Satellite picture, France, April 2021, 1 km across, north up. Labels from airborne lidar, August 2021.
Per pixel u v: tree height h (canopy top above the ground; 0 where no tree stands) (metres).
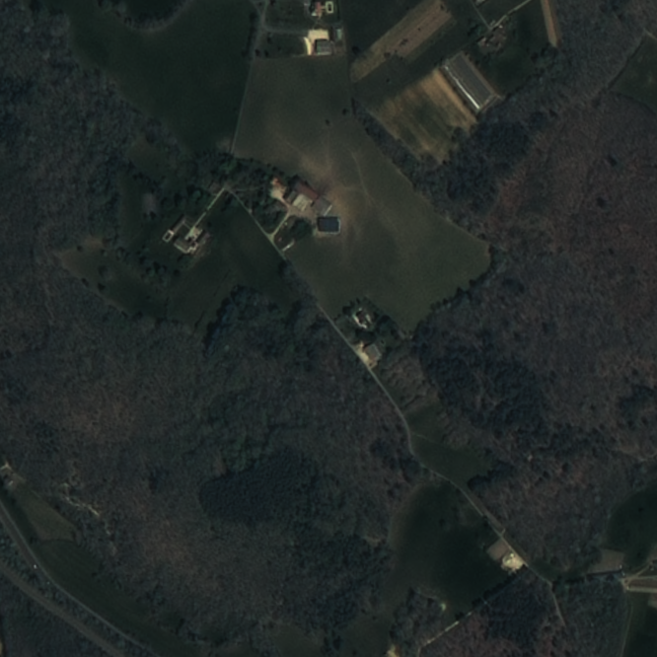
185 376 22
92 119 20
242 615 14
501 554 0
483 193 28
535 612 14
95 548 9
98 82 18
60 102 16
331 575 19
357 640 0
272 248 0
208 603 10
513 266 18
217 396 17
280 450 20
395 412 9
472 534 0
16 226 8
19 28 23
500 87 0
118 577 7
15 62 24
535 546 18
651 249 15
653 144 6
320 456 20
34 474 19
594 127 8
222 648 12
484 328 10
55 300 13
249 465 10
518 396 16
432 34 0
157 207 0
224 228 0
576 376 16
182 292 0
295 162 0
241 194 6
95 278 0
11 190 12
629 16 15
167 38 0
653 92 0
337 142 0
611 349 18
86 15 0
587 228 7
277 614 17
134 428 14
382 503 13
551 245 17
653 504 0
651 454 15
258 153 0
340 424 10
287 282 19
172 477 17
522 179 7
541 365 10
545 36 0
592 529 14
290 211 0
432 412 0
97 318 23
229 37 0
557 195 8
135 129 21
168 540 15
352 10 0
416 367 10
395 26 0
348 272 0
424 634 19
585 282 21
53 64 16
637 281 6
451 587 0
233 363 17
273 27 0
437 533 0
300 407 19
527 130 19
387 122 0
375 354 0
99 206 26
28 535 0
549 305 10
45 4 0
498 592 13
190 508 21
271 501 18
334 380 13
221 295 0
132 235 0
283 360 23
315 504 14
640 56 0
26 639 12
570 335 15
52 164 21
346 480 19
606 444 15
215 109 0
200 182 24
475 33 7
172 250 0
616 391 11
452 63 0
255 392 14
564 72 18
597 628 15
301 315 25
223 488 21
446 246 0
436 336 7
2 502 0
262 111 0
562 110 8
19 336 6
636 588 0
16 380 14
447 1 0
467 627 9
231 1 0
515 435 12
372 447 12
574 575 0
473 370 16
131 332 22
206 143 0
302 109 0
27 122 19
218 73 0
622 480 22
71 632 13
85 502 8
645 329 18
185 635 8
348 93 0
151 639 0
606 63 19
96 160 25
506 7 0
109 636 12
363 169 0
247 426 20
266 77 0
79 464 11
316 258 0
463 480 0
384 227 0
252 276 0
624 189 6
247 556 22
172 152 19
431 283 0
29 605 10
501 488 11
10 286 7
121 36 0
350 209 0
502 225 17
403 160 17
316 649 0
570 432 20
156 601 7
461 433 11
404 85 0
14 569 15
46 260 14
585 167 7
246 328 17
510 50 0
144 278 9
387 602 0
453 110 0
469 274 0
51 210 19
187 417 17
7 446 10
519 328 14
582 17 17
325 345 17
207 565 19
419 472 19
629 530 0
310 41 0
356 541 16
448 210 16
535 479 14
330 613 23
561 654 8
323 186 0
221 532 23
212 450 22
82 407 9
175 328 16
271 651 17
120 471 13
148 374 17
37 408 10
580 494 19
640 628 0
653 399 24
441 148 0
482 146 25
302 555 25
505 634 13
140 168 0
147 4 0
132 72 0
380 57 0
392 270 0
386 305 0
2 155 21
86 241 18
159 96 0
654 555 0
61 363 13
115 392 10
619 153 9
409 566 0
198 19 0
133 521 10
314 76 0
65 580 0
